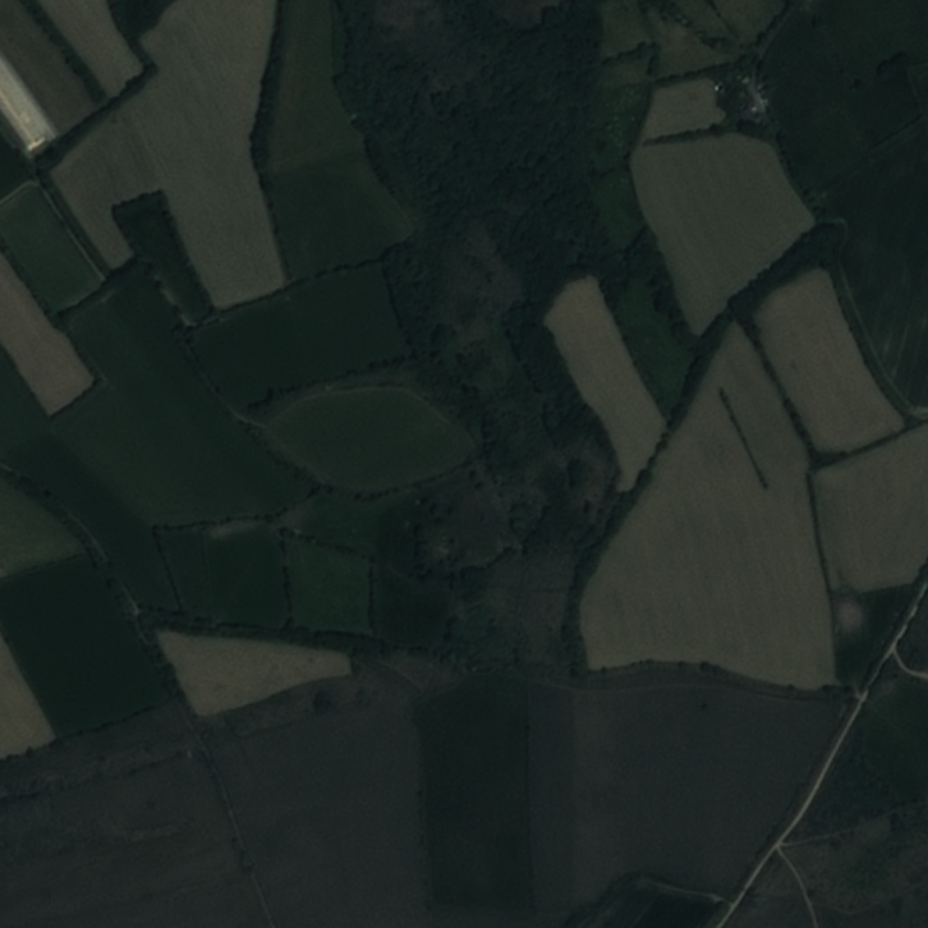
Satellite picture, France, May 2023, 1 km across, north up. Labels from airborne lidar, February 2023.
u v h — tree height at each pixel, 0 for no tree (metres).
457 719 0
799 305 0
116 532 0
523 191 8
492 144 13
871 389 0
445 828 0
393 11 0
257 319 0
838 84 0
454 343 13
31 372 0
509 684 0
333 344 0
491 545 0
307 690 0
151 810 0
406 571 0
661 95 0
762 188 0
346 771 0
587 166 10
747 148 0
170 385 0
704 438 0
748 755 0
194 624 8
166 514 0
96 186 0
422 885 0
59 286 0
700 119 0
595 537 7
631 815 0
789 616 0
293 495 0
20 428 0
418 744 0
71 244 0
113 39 0
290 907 0
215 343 0
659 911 0
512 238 10
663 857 0
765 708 0
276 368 0
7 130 0
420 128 11
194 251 0
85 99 0
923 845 0
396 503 0
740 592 0
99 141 0
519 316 14
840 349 0
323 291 0
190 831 0
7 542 0
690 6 0
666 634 0
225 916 0
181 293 0
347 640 15
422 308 11
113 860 0
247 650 0
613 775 0
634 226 0
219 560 0
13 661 0
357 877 0
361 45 6
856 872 0
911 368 0
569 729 0
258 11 0
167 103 0
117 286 14
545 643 0
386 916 0
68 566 0
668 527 0
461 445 0
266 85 14
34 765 0
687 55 0
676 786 0
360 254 0
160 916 0
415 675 0
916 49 0
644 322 0
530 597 0
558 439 19
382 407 0
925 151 0
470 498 0
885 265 0
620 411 0
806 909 0
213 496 0
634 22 0
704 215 0
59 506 13
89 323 0
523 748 0
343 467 0
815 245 16
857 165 0
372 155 12
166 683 7
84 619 0
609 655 0
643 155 0
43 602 0
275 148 0
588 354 0
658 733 0
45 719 0
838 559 0
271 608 0
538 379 16
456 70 0
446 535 0
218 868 0
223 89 0
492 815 0
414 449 0
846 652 0
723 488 0
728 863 0
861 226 0
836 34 0
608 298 10
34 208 0
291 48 0
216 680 0
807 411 0
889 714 0
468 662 6
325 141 0
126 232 10
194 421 0
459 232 9
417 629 0
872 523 0
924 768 0
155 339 0
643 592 0
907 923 0
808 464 0
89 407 0
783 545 0
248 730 0
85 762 0
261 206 0
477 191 8
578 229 9
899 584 0
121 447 0
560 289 11
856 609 0
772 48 0
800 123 0
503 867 0
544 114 8
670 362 0
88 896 0
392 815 0
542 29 9
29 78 0
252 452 0
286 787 0
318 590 0
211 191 0
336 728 0
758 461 0
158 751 0
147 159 0
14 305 0
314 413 0
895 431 0
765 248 0
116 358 0
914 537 0
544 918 0
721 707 0
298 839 0
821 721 0
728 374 0
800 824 0
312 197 0
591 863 0
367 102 8
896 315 0
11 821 0
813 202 7
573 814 0
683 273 0
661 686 0
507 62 7
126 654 0
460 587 13
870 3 0
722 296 0
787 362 0
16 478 13
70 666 0
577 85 13
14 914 0
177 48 0
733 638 0
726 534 0
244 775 0
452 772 0
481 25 15
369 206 0
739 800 0
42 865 0
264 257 0
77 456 0
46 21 10
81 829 0
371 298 0
